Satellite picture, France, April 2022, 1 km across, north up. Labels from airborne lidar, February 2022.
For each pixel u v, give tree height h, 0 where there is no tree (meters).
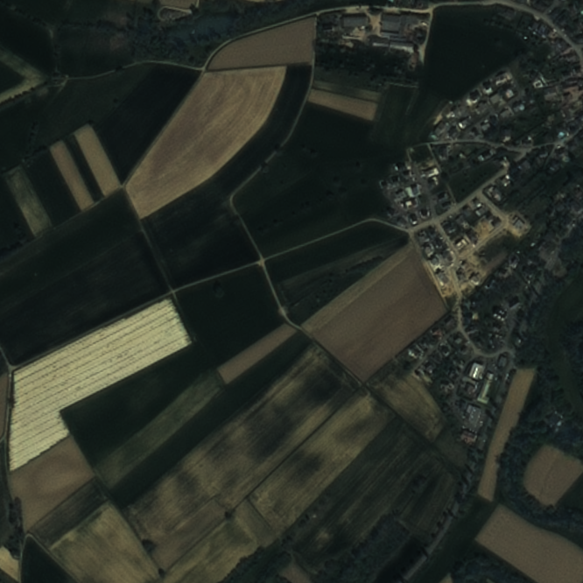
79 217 0
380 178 0
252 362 0
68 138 0
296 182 0
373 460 0
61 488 0
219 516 0
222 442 0
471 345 0
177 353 0
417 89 0
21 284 0
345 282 0
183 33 0
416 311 0
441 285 0
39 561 0
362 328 0
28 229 0
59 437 0
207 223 0
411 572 0
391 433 0
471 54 0
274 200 0
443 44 0
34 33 0
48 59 0
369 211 0
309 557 0
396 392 0
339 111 0
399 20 0
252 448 0
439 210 0
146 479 0
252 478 0
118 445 0
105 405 0
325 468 0
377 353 0
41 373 0
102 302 0
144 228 0
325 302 0
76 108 0
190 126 0
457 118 0
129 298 0
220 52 0
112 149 0
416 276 0
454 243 0
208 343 0
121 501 0
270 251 0
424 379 0
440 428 0
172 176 0
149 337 0
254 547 0
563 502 0
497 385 0
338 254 0
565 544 0
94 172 0
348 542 0
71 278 0
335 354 0
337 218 0
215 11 0
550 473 0
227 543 0
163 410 0
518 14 0
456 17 0
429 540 0
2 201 0
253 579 0
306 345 0
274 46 0
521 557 0
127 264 0
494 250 0
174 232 0
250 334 0
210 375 0
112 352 0
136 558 0
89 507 0
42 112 0
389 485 0
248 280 0
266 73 0
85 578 0
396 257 0
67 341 0
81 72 0
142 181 0
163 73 0
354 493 0
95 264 0
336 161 0
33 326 0
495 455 0
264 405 0
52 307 0
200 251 0
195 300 0
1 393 0
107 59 0
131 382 0
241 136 0
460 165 0
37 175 0
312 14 0
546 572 0
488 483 0
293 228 0
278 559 6
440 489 0
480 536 0
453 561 0
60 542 0
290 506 0
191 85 0
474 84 0
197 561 0
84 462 0
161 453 0
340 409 0
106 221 0
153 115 0
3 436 0
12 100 8
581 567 0
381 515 0
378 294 0
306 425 0
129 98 0
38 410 0
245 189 0
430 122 0
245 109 0
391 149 0
